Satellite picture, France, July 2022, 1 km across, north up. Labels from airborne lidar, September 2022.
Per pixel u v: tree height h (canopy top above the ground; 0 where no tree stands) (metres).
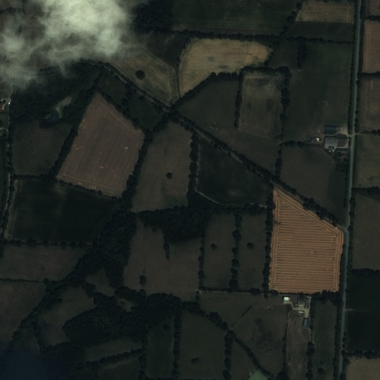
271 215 20
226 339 14
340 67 0
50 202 0
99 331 19
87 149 0
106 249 20
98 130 0
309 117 0
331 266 0
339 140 0
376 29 0
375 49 0
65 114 9
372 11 0
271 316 0
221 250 0
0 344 0
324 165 0
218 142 12
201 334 0
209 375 0
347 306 8
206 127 0
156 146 0
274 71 9
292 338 0
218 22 0
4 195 9
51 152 0
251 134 0
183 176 0
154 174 0
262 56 0
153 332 0
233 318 0
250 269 0
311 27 0
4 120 0
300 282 0
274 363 0
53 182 11
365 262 0
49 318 0
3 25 0
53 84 9
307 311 0
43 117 8
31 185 0
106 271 11
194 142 14
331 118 0
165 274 0
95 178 0
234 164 0
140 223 0
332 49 0
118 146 0
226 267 0
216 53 0
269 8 0
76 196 0
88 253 8
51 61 0
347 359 9
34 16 0
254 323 0
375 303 0
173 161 0
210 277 0
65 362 14
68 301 0
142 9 19
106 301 19
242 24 0
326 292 16
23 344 0
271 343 0
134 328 13
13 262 0
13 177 9
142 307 13
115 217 17
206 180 0
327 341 0
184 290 0
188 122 11
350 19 0
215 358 0
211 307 0
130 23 6
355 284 0
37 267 0
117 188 0
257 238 0
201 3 0
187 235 13
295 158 0
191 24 0
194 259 0
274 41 8
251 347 0
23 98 11
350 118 9
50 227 0
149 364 0
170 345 0
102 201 0
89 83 0
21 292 0
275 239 0
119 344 0
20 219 0
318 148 0
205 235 13
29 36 0
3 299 0
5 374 0
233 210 10
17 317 0
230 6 0
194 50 0
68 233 0
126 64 0
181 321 12
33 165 0
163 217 16
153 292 0
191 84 0
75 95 0
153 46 0
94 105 0
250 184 0
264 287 17
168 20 20
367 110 0
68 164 0
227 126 0
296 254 0
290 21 15
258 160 0
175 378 19
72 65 13
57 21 0
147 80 0
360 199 0
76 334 15
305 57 17
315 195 0
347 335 14
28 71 11
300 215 0
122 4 0
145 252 0
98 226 0
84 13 0
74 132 17
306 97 0
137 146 0
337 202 0
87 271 14
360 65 7
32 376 0
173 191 0
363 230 0
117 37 0
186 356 0
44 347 10
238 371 0
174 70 0
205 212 19
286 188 16
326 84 0
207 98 0
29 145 0
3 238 12
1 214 9
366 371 0
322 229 0
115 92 0
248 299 0
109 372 0
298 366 0
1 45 0
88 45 0
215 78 17
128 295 15
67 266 0
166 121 14
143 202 0
